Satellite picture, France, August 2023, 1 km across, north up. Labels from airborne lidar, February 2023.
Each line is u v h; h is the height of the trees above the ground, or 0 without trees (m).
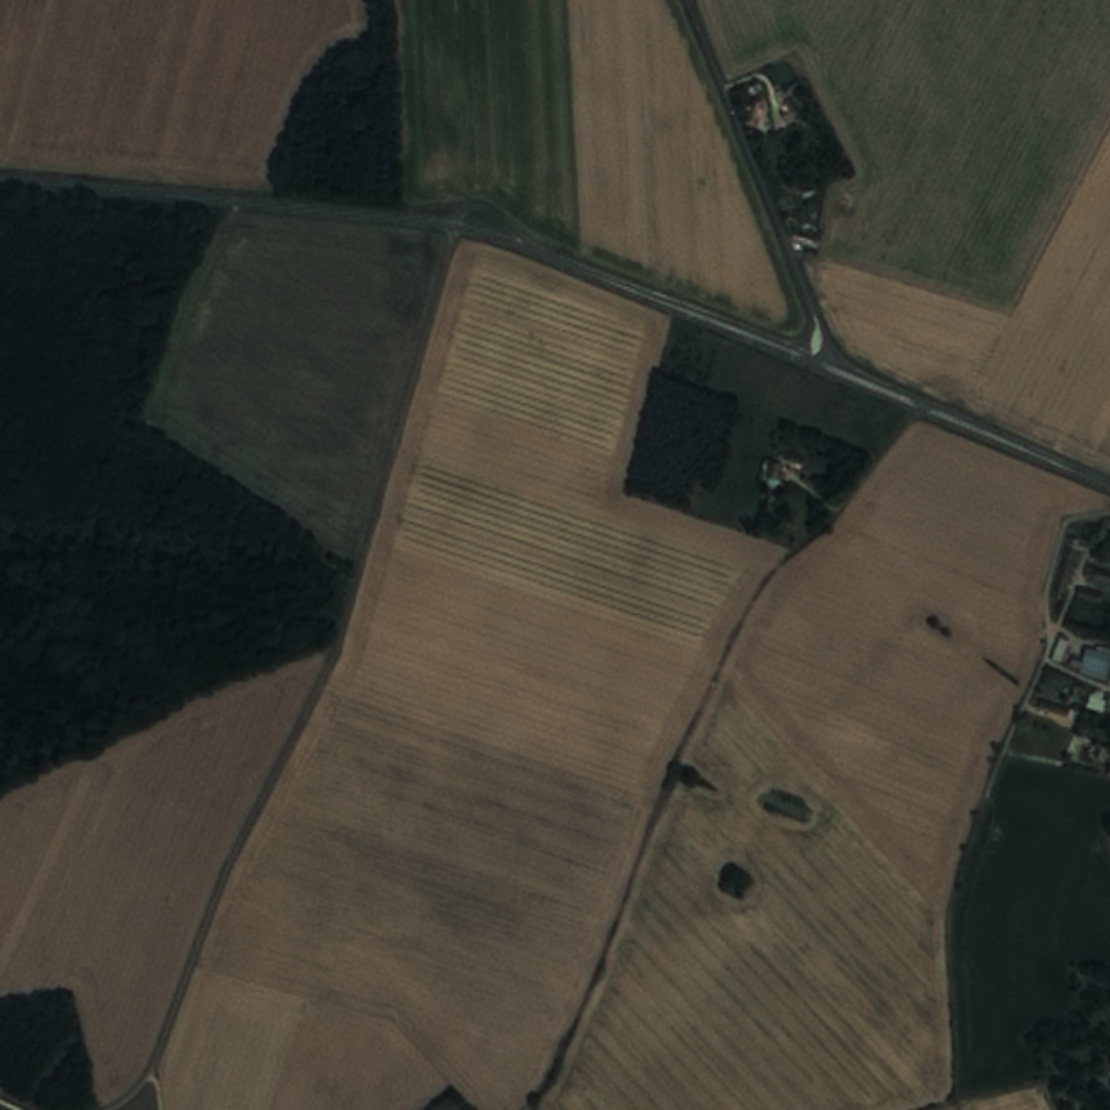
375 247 0
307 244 0
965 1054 0
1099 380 0
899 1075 0
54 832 0
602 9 0
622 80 0
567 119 0
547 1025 0
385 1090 0
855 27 0
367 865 0
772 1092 0
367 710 0
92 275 18
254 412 0
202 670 12
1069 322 0
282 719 0
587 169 0
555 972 0
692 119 0
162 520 23
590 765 0
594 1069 0
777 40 0
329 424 0
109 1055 0
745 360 0
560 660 0
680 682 0
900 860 0
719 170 0
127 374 12
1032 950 0
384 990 0
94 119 0
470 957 0
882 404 0
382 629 0
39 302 19
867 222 0
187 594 12
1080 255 0
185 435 0
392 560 0
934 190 0
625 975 0
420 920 0
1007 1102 0
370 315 0
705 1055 0
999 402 0
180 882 0
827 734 0
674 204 0
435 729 0
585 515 0
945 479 0
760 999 0
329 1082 0
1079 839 0
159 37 0
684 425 16
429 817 0
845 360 0
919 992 0
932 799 0
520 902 0
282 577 14
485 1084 0
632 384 0
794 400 0
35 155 0
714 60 0
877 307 0
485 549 0
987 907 0
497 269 0
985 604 0
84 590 11
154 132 0
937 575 0
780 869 0
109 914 0
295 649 18
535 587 0
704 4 0
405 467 0
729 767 0
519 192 0
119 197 0
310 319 0
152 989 0
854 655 0
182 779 0
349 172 22
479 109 0
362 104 23
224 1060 0
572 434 0
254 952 0
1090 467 0
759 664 0
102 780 0
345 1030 0
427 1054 0
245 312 0
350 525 0
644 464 14
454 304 0
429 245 0
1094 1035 8
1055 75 0
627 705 0
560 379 0
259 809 0
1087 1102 6
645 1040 0
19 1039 19
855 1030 0
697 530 0
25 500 20
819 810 0
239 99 0
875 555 0
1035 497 0
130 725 16
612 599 0
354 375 0
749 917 0
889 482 0
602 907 0
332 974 0
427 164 0
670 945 0
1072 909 0
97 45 0
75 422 20
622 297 0
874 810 0
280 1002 0
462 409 0
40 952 0
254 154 0
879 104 0
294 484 0
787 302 0
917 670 0
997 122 0
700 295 0
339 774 0
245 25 0
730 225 0
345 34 0
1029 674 0
